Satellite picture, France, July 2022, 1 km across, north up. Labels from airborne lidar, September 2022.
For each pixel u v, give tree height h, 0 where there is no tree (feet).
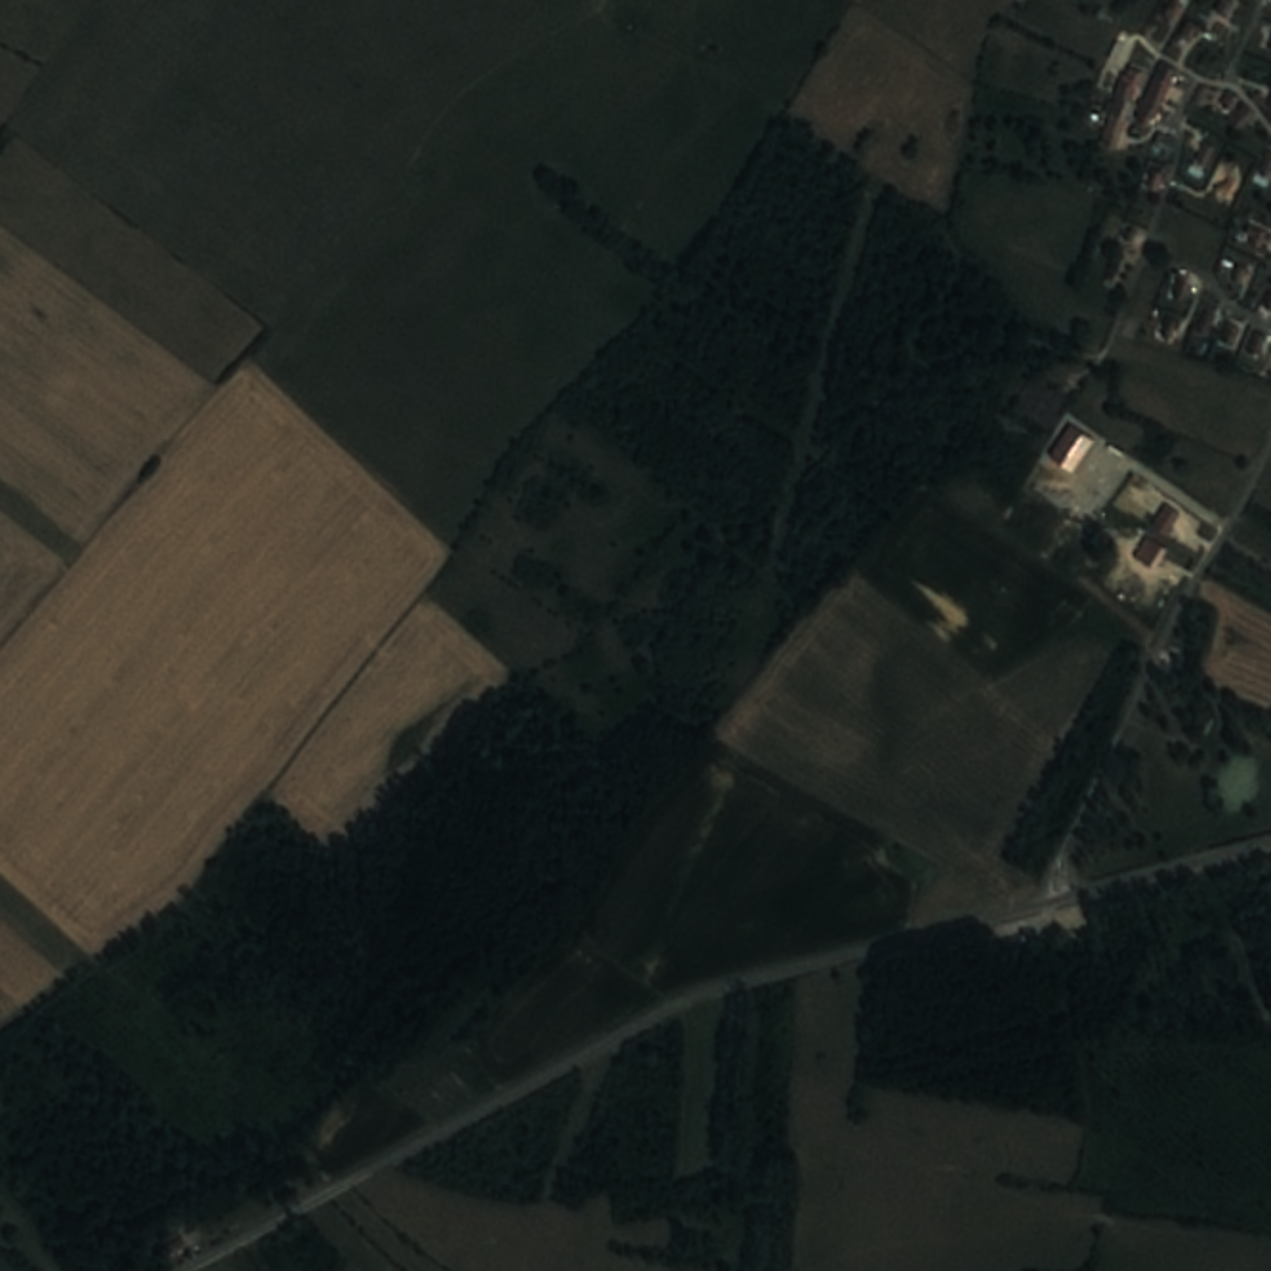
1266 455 0
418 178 0
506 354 0
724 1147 85
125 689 0
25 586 0
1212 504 0
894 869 0
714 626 22
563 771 37
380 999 96
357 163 0
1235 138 31
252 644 0
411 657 0
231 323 0
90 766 0
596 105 0
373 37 0
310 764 0
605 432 18
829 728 0
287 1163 53
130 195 0
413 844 47
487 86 0
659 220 0
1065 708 0
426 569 0
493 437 0
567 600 29
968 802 0
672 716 53
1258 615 0
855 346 54
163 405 0
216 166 0
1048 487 0
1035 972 79
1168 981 73
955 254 24
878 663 0
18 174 0
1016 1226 0
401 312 0
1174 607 0
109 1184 64
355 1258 0
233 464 0
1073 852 0
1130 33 0
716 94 0
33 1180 33
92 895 0
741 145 0
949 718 0
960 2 0
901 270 64
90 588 0
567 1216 0
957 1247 0
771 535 42
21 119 0
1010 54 0
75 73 0
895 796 0
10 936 0
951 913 0
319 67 0
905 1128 0
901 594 0
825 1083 0
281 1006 104
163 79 0
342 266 0
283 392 0
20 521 0
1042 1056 52
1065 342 45
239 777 0
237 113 0
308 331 0
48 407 0
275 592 0
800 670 0
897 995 82
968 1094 49
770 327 52
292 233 0
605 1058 0
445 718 0
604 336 0
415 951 61
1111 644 0
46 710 0
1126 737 0
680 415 41
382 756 0
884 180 0
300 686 0
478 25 0
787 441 39
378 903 94
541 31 0
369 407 0
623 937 0
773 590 0
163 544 0
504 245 0
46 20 0
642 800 80
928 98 0
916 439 54
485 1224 0
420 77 0
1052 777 47
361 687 0
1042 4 0
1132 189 32
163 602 0
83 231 0
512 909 83
